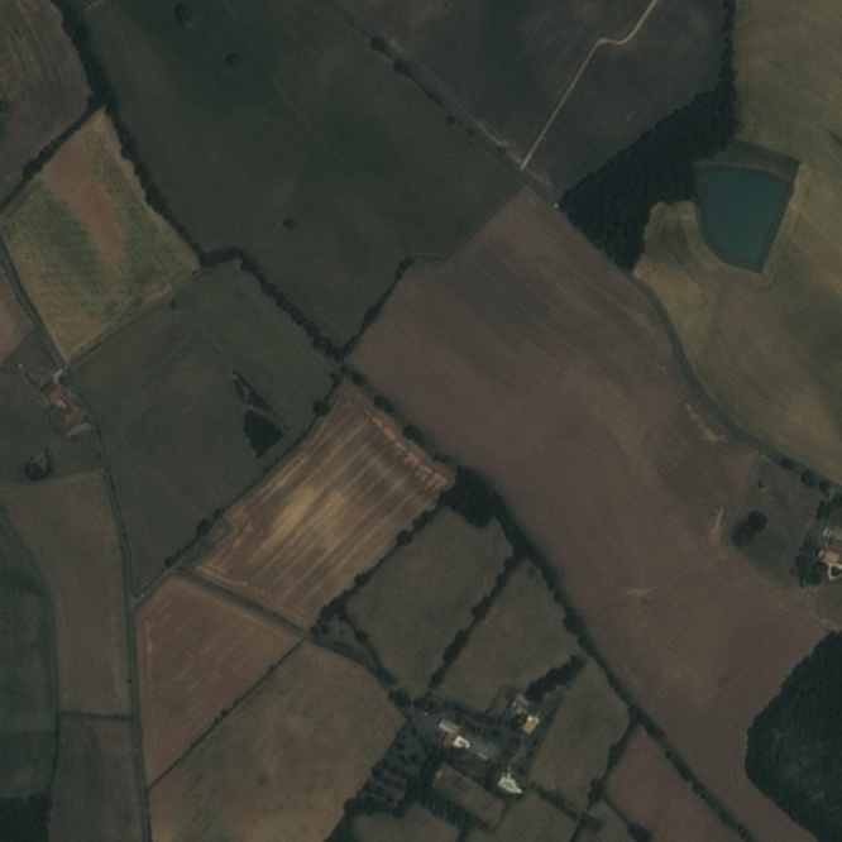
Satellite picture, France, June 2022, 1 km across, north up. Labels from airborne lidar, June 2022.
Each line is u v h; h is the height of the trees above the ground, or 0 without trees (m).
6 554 0
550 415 0
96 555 0
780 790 8
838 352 0
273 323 0
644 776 0
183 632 0
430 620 0
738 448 0
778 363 0
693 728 0
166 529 0
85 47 17
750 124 0
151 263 0
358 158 0
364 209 0
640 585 0
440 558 0
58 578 0
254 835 0
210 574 0
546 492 0
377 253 0
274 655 0
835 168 0
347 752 0
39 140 0
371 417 0
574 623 19
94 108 17
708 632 0
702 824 0
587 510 0
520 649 0
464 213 0
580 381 0
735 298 0
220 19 0
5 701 0
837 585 0
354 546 0
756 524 17
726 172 0
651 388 0
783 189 0
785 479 0
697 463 0
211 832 0
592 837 0
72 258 0
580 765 0
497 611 0
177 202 0
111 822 0
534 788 8
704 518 0
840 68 0
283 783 0
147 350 0
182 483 0
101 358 0
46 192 0
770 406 0
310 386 0
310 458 0
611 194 18
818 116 0
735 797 0
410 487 0
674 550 0
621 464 0
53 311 0
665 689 0
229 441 0
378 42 14
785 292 0
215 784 0
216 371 0
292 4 0
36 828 10
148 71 0
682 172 20
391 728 0
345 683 0
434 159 0
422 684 0
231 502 0
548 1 0
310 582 0
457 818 10
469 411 0
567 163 0
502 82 0
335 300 0
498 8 0
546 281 0
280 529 0
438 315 0
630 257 14
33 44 0
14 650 0
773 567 0
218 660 0
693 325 0
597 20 0
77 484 0
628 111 0
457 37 0
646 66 0
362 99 0
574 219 14
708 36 0
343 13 0
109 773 0
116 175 0
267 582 0
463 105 0
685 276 0
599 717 0
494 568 0
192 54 0
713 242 0
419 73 0
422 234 0
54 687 0
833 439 0
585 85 0
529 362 0
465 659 0
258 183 0
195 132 0
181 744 0
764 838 0
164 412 0
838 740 9
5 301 0
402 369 0
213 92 0
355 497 0
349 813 12
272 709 0
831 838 13
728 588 0
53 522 0
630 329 0
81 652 0
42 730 0
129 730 0
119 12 0
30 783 0
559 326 0
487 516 14
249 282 0
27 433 0
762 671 0
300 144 0
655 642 0
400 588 0
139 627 0
